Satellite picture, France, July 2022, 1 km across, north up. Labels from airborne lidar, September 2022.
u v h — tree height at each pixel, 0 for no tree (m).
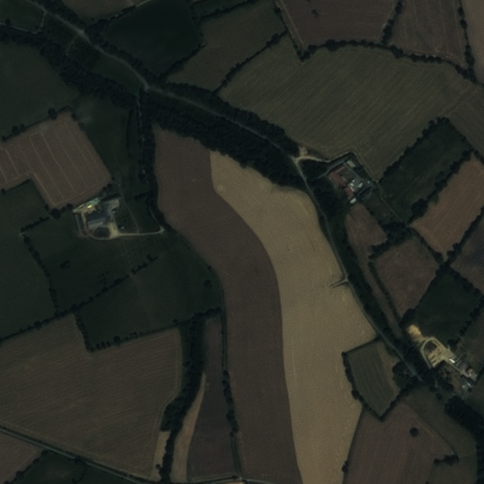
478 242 0
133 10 11
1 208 0
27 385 0
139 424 0
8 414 0
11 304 0
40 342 0
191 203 0
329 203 18
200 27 6
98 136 0
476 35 0
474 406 0
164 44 0
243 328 0
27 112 0
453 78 0
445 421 0
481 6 0
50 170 0
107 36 0
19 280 0
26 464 0
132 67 15
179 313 0
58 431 0
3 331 0
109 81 14
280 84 0
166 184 0
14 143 0
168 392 0
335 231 0
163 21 0
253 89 0
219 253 0
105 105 0
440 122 16
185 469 0
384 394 0
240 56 0
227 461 0
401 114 0
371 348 0
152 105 18
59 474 0
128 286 0
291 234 0
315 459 0
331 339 0
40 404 0
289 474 0
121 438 0
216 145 16
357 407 0
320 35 0
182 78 0
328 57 0
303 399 0
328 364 0
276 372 0
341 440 0
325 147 0
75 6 0
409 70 0
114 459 0
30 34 8
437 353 0
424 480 0
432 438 0
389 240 15
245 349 0
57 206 0
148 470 0
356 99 0
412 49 0
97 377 0
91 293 0
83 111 0
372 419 0
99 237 0
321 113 0
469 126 0
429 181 0
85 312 0
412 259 0
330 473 0
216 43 0
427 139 18
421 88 0
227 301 0
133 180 0
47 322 10
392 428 0
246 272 0
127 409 0
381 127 0
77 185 0
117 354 0
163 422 0
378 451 0
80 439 0
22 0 0
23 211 0
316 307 0
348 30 0
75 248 0
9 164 0
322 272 0
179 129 17
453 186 0
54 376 0
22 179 0
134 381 0
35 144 0
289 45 0
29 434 0
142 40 0
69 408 0
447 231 0
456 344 16
